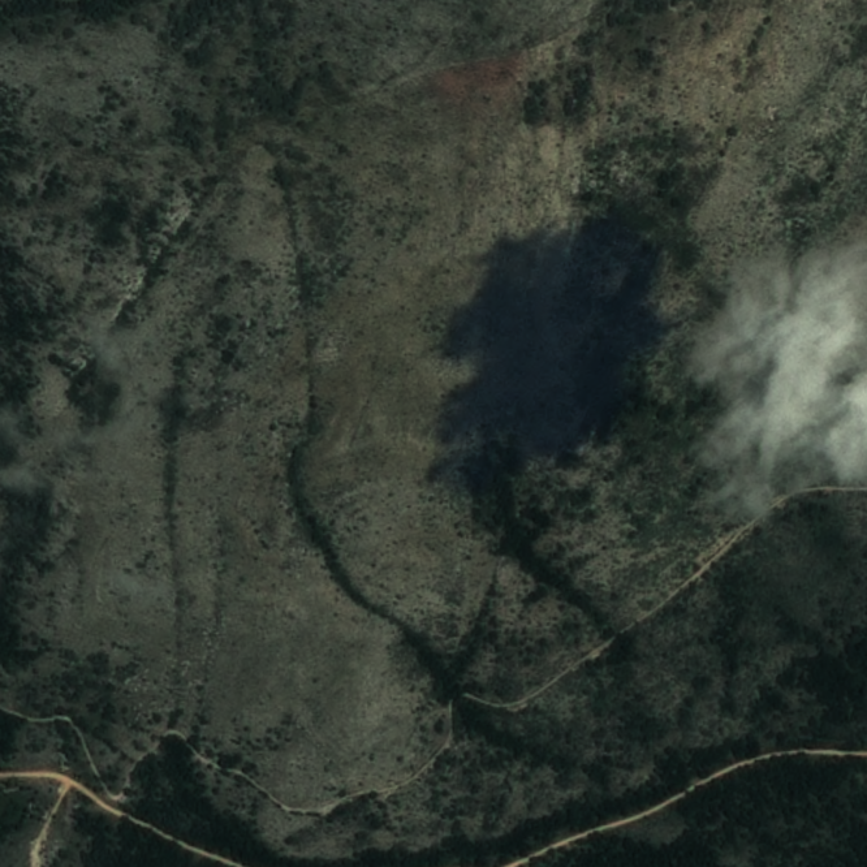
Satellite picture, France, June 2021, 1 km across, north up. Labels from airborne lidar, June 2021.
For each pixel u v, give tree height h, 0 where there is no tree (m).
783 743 7
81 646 0
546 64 0
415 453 0
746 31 0
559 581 9
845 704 6
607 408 12
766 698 9
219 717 0
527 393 0
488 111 0
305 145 0
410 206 0
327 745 0
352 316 0
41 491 11
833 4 0
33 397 0
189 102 0
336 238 0
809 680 7
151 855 11
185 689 0
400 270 0
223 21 0
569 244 0
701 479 9
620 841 9
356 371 0
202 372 0
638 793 10
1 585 8
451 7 0
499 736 12
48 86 0
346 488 0
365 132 0
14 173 0
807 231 6
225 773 6
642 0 6
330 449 0
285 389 0
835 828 8
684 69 0
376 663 0
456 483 0
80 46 0
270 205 0
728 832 7
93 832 9
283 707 0
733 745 8
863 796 6
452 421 0
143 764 11
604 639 7
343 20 0
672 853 11
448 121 0
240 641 0
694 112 0
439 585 0
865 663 7
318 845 0
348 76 0
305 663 0
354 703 0
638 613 0
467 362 0
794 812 10
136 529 0
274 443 0
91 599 0
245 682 0
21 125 0
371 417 0
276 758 0
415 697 0
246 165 0
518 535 13
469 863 6
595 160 7
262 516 0
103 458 0
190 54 8
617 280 0
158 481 0
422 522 0
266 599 0
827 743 0
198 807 9
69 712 9
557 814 12
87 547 0
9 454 7
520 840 9
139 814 9
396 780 0
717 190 0
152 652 0
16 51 0
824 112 0
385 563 0
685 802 12
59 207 0
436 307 0
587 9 0
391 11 0
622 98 0
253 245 0
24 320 6
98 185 0
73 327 0
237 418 0
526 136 0
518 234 0
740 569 6
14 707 0
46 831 0
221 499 0
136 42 0
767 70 0
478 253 0
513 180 0
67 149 0
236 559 0
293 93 8
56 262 0
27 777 0
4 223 0
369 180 0
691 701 7
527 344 0
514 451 8
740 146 0
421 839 0
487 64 0
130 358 0
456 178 0
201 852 0
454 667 11
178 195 0
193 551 0
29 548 8
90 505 0
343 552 0
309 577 0
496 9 0
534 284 0
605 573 0
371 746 0
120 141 0
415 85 0
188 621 0
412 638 6
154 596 0
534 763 8
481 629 9
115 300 0
